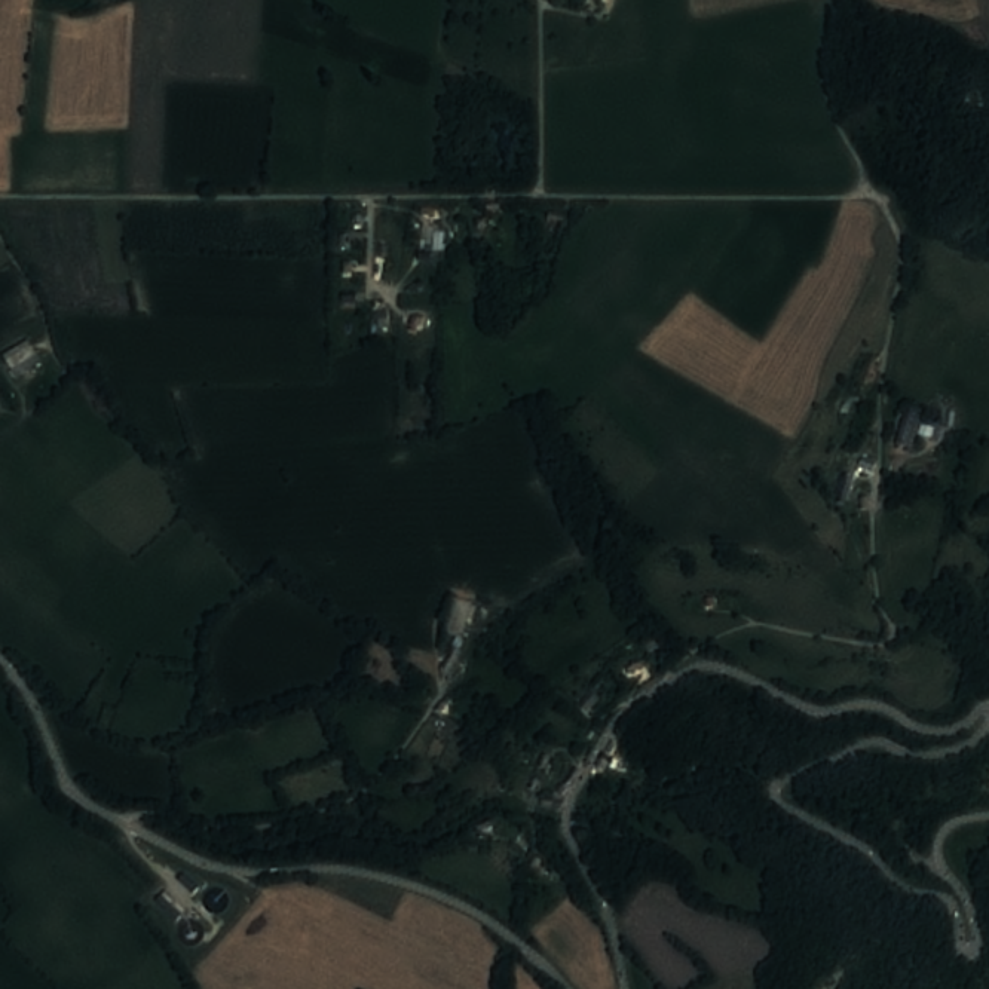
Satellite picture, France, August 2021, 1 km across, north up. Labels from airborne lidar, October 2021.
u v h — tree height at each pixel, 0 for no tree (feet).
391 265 0
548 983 60
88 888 0
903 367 0
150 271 0
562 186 0
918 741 48
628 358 0
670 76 0
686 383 0
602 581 33
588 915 35
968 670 49
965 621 64
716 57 0
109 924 0
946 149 77
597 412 0
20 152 0
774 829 48
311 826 62
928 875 52
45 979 32
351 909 0
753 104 0
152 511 0
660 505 0
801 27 0
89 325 0
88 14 18
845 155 0
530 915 46
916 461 0
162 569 0
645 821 47
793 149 0
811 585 0
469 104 38
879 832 52
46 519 0
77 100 0
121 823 0
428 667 0
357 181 0
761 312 0
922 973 46
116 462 0
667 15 0
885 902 53
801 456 0
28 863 0
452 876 0
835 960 20
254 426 0
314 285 0
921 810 59
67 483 0
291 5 0
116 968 0
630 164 0
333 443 0
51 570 0
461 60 0
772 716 59
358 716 0
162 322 0
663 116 0
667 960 0
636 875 71
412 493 0
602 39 0
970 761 45
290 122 0
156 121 0
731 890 0
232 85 0
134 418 0
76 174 0
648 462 0
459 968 0
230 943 0
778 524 0
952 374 0
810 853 44
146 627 0
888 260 0
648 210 0
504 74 0
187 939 0
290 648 0
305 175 0
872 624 0
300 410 0
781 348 0
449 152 49
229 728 59
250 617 0
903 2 0
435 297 20
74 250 0
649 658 36
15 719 61
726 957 0
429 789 64
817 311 0
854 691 40
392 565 0
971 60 41
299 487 0
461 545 0
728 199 0
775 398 0
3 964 0
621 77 0
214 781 0
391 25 0
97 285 0
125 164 0
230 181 0
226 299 0
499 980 56
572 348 0
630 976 0
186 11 0
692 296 0
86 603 0
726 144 0
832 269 0
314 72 0
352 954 0
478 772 0
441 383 30
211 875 0
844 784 70
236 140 0
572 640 0
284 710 56
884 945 30
